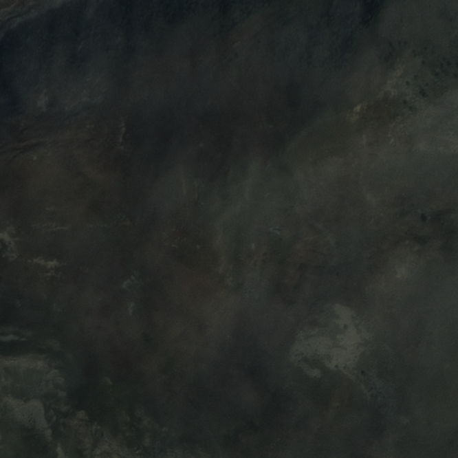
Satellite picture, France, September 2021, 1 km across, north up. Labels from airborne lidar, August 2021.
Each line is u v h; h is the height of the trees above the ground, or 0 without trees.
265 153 0
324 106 0
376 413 0
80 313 0
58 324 0
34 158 0
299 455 0
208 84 0
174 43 0
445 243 0
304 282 0
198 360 0
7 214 0
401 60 0
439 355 0
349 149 0
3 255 0
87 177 0
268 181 0
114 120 0
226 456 0
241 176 0
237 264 0
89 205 0
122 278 0
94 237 0
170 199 0
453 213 0
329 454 0
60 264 0
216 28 0
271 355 0
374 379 0
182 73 0
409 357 0
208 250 0
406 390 0
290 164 0
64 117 0
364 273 0
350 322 0
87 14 0
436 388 0
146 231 0
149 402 0
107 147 0
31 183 0
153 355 0
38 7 0
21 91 0
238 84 0
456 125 0
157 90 0
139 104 0
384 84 0
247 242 0
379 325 0
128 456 0
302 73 0
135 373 0
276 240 0
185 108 0
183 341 0
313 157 0
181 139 0
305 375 0
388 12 0
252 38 0
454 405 0
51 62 0
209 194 0
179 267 0
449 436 0
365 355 0
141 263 0
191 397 0
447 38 0
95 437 0
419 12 0
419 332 0
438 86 0
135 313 0
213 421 0
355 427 0
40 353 0
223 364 0
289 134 0
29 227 0
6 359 0
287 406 0
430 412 0
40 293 0
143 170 0
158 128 0
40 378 0
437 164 0
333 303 0
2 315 0
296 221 0
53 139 0
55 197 0
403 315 0
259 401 0
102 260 0
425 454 0
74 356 0
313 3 0
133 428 0
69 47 0
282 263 0
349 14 19
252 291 0
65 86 0
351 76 0
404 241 0
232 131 0
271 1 13
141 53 0
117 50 0
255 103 0
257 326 0
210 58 0
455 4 0
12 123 0
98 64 0
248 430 0
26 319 0
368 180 0
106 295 0
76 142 0
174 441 0
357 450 0
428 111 0
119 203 0
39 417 0
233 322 0
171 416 0
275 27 0
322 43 12
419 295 0
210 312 0
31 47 0
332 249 0
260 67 0
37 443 0
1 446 0
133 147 0
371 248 0
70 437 0
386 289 0
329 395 0
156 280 0
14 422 0
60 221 0
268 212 0
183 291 0
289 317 0
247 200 0
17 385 0
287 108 0
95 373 0
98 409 0
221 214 0
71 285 0
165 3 6
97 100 0
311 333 0
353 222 0
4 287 0
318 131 0
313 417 0
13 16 0
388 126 0
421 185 0
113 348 0
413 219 0
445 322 0
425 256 0
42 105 0
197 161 0
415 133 0
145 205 0
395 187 0
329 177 0
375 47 0
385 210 0
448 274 0
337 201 0
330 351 0
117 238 0
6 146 0
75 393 0
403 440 0
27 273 0
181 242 0
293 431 0
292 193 0
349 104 0
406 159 0
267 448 0
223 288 0
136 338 0
